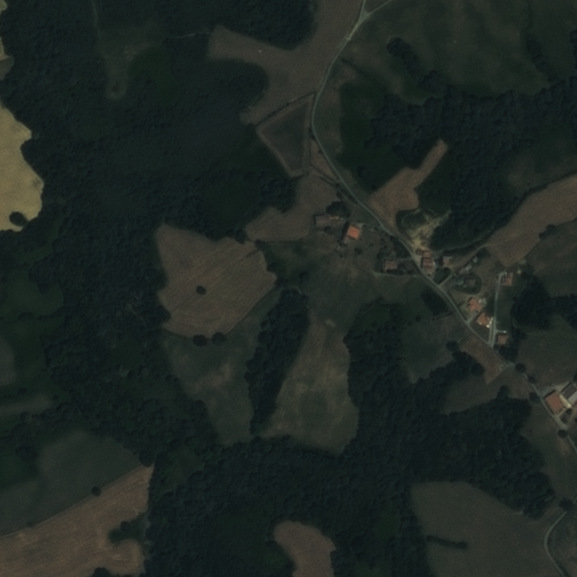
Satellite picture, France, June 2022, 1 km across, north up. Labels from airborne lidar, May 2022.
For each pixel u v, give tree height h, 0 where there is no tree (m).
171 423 12
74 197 9
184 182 10
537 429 0
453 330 0
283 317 20
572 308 23
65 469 0
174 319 0
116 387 13
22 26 12
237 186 0
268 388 28
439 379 20
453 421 8
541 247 0
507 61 0
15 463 0
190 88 5
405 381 19
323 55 0
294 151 0
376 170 0
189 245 0
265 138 0
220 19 8
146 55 0
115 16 7
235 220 0
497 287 0
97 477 0
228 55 0
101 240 9
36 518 0
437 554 0
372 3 0
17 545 0
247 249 0
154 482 20
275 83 0
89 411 22
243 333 0
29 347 0
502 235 0
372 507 6
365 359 20
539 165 0
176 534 21
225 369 0
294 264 0
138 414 15
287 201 10
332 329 0
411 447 15
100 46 0
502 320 0
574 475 0
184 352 0
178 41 6
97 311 12
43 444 0
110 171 6
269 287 0
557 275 0
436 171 0
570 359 0
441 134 7
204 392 0
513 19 0
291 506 14
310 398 0
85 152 14
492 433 10
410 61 18
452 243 0
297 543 0
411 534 20
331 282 0
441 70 0
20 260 0
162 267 0
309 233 0
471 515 0
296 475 22
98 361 18
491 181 22
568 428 0
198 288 9
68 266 25
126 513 0
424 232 0
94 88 12
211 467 10
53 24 10
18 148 0
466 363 21
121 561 0
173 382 9
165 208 11
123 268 10
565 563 0
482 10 0
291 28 10
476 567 0
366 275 0
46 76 9
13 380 0
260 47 0
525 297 17
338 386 0
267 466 17
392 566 8
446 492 0
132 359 0
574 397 0
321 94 0
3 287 10
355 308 0
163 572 27
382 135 19
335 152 0
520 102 21
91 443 0
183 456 0
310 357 0
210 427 7
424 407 20
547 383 0
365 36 0
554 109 22
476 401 0
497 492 15
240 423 0
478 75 0
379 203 0
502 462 16
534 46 12
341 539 10
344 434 0
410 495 17
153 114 13
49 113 8
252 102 0
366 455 15
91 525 0
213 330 0
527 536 0
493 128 25
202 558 15
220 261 0
